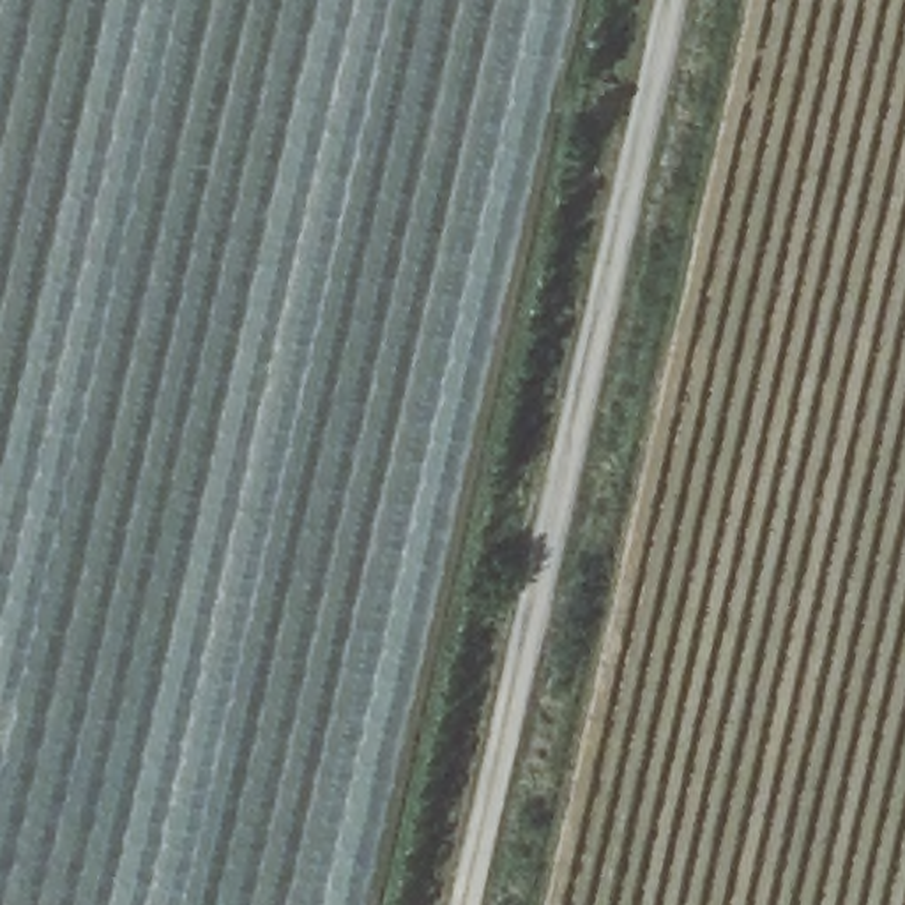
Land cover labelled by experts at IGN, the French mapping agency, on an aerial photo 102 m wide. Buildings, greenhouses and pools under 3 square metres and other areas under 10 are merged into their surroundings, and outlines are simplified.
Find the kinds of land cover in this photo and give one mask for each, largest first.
<instances>
[{"label":"deciduous trees","instance_id":"1","mask_svg":"<svg viewBox=\"0 0 905 905\"><path fill-rule=\"evenodd\" d=\"M605 21L601 0H0V905H399L403 887L410 880V856L417 848L421 817L428 806L431 767L442 739V721L449 714L453 668L463 650V633L470 622H481L509 640L516 597L523 590L513 580L509 566L484 551V527L491 520V498L509 449L520 385L527 378L534 318L541 311L548 258L555 247V219L566 198V180L576 173L573 134L576 117L587 103V71ZM679 46L672 60L665 106L658 117V134L650 145L636 233L629 244L619 311L594 399V421L566 530L562 566L551 590V615L530 679V696L523 711V728L509 771V788L495 831L481 905H502L506 898L527 894L530 866L523 863V856H516L509 841L527 799L551 792V764L541 760V749H555L566 732L569 700L555 696V682L566 675L587 612L580 559L597 548H612L619 555L622 548V530L650 424L654 385L672 336L675 304L682 293L693 223L714 152L721 99L746 0H679Z\"/></svg>","mask_w":905,"mask_h":905},{"label":"vineyard","instance_id":"2","mask_svg":"<svg viewBox=\"0 0 905 905\"><path fill-rule=\"evenodd\" d=\"M605 21L587 71V103L576 117L573 134L576 173L566 180V198L555 219V247L548 258L541 311L534 318L527 378L520 385L509 449L491 498V520L484 527V551L509 566L513 580L523 590L516 597L509 640L481 622H470L463 633V650L453 668L449 714L442 721V739L431 767L428 806L421 817L417 848L410 856V880L403 887L399 905H481L495 831L509 788V771L523 728V711L530 696V679L551 615V590L562 566L566 530L594 421V399L619 311L629 244L636 233L650 145L658 134V117L665 106L672 60L679 46V0H601ZM587 612L566 675L555 682V696L569 700L566 732L555 749H541V760L551 764V792L527 799L509 841L516 856H523V863L530 866L527 894L506 898L502 905H905V0H746L721 99L714 152L693 223L682 293L675 304L672 336L654 385L650 424L622 530V548L619 555L612 548H597L580 559Z\"/></svg>","mask_w":905,"mask_h":905}]
</instances>
